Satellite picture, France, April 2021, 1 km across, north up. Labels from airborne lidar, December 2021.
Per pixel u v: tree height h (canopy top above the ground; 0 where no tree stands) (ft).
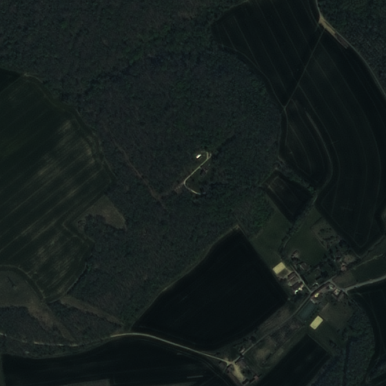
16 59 53
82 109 50
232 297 0
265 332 0
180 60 94
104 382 47
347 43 0
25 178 0
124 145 67
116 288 57
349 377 76
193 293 0
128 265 69
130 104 75
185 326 0
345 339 43
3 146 0
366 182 0
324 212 0
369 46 62
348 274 0
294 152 0
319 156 0
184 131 66
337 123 0
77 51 61
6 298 0
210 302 0
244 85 57
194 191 0
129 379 0
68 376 0
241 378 0
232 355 0
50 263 0
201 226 66
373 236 0
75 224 0
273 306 0
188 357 0
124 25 68
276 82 0
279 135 57
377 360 0
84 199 0
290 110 0
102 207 0
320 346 0
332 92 0
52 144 0
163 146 66
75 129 0
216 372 0
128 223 42
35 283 0
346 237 0
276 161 33
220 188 55
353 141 0
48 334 50
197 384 0
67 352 41
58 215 0
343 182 0
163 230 81
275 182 0
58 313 39
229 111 59
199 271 0
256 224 52
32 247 0
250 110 50
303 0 0
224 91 50
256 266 0
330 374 72
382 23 68
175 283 0
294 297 23
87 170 0
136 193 65
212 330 0
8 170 0
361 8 63
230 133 56
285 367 0
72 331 65
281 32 0
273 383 0
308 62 0
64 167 0
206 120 62
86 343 58
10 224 0
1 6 61
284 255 43
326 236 0
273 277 0
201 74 70
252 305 0
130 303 76
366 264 0
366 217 0
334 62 0
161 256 69
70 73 79
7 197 0
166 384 0
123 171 66
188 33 97
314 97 0
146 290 74
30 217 0
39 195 0
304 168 0
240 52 0
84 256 0
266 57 0
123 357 0
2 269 0
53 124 0
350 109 0
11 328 70
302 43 0
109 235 64
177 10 68
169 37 87
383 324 0
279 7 0
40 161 0
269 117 62
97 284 60
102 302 62
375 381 0
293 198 0
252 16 0
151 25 82
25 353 54
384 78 68
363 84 0
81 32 65
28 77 0
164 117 72
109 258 74
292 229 33
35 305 0
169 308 0
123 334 0
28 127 0
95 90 88
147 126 69
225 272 0
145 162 60
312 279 0
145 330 0
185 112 72
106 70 85
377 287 0
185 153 73
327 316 0
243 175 55
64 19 64
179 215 66
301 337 0
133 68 92
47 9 23
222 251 0
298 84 0
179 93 64
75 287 35
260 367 0
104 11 57
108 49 46
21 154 0
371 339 65
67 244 0
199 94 69
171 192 39
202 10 41
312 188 30
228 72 67
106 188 0
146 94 67
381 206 0
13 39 28
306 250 0
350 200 0
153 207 68
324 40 0
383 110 0
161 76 80
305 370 0
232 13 0
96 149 0
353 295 0
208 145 60
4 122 0
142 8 61
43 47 63
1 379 0
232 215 61
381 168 0
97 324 73
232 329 0
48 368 0
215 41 56
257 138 54
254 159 69
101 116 52
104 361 0
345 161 0
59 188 0
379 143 0
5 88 0
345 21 93
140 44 86
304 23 0
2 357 0
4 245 0
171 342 0
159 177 71
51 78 72
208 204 66
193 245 71
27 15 30
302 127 0
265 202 53
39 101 0
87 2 55
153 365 0
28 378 0
